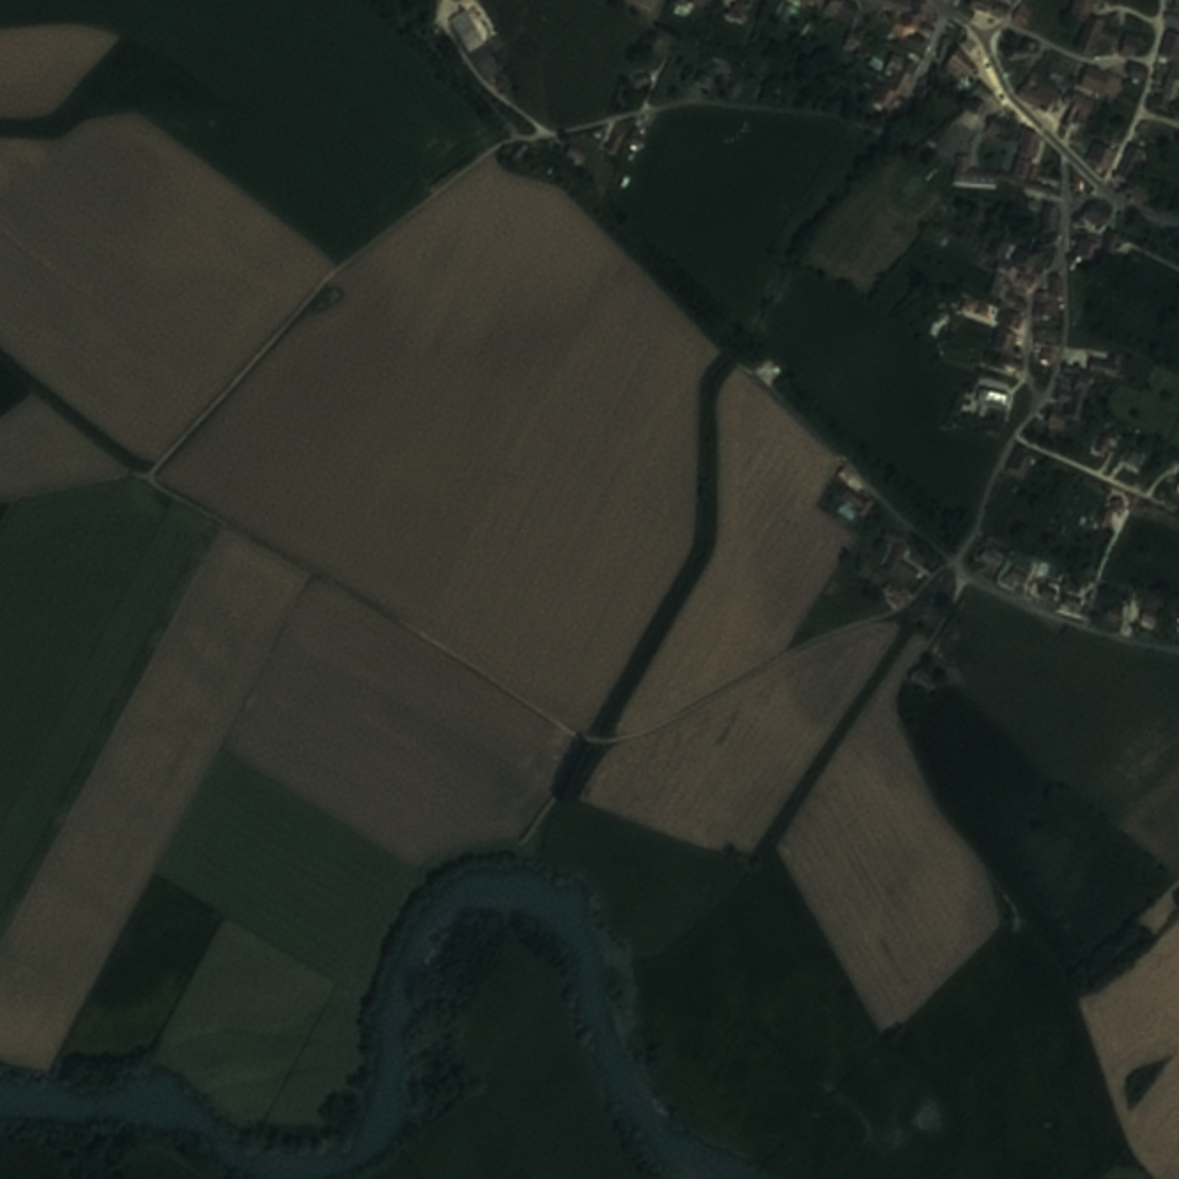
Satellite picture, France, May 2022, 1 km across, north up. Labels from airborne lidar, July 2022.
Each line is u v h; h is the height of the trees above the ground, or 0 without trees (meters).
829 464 0
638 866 0
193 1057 0
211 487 0
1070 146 0
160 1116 0
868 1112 0
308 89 0
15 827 0
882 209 0
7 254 0
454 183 0
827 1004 0
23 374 0
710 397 0
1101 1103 0
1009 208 7
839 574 0
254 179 0
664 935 0
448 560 0
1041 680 0
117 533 0
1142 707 0
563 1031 0
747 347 9
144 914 0
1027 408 0
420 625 0
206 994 0
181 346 0
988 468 0
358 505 0
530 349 0
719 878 0
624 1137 12
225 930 0
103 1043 0
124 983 0
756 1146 0
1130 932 15
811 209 0
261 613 0
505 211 0
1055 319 6
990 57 0
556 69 0
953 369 0
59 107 0
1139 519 0
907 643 0
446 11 0
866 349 0
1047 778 0
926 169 14
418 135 0
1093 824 12
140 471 0
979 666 0
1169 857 0
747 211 0
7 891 0
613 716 0
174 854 0
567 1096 0
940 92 8
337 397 0
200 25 0
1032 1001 0
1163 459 13
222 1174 7
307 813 0
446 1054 15
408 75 0
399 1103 0
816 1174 0
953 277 0
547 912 0
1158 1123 0
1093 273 20
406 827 0
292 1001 0
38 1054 0
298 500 0
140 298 0
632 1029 0
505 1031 0
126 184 0
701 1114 0
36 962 0
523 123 10
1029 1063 0
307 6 0
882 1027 0
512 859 12
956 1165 0
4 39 0
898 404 0
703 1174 0
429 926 0
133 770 0
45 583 0
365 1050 11
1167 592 11
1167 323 14
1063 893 0
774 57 13
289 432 0
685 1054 0
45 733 0
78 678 0
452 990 19
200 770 0
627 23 0
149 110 0
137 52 0
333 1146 14
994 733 0
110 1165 13
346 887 0
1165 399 7
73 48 0
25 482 0
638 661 0
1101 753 0
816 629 0
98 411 0
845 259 0
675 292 6
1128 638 0
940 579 0
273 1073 0
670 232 0
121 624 0
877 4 0
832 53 8
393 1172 0
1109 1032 0
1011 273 0
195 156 0
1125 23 0
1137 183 13
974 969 0
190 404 0
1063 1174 0
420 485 0
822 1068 0
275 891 0
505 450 0
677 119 0
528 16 0
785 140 0
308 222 0
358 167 0
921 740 0
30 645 0
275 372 0
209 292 0
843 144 0
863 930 0
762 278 0
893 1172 0
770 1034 0
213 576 0
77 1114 0
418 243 0
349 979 0
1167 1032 0
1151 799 0
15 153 0
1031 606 0
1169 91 0
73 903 0
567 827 0
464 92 14
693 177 0
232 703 0
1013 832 0
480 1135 0
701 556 0
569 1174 0
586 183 6
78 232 0
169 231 0
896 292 0
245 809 0
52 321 0
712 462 0
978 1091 0
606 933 0
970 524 18
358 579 0
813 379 0
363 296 0
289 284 0
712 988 0
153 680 0
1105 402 15
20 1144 8
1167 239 12
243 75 0
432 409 0
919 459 0
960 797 0
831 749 0
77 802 0
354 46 0
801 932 0
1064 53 0
